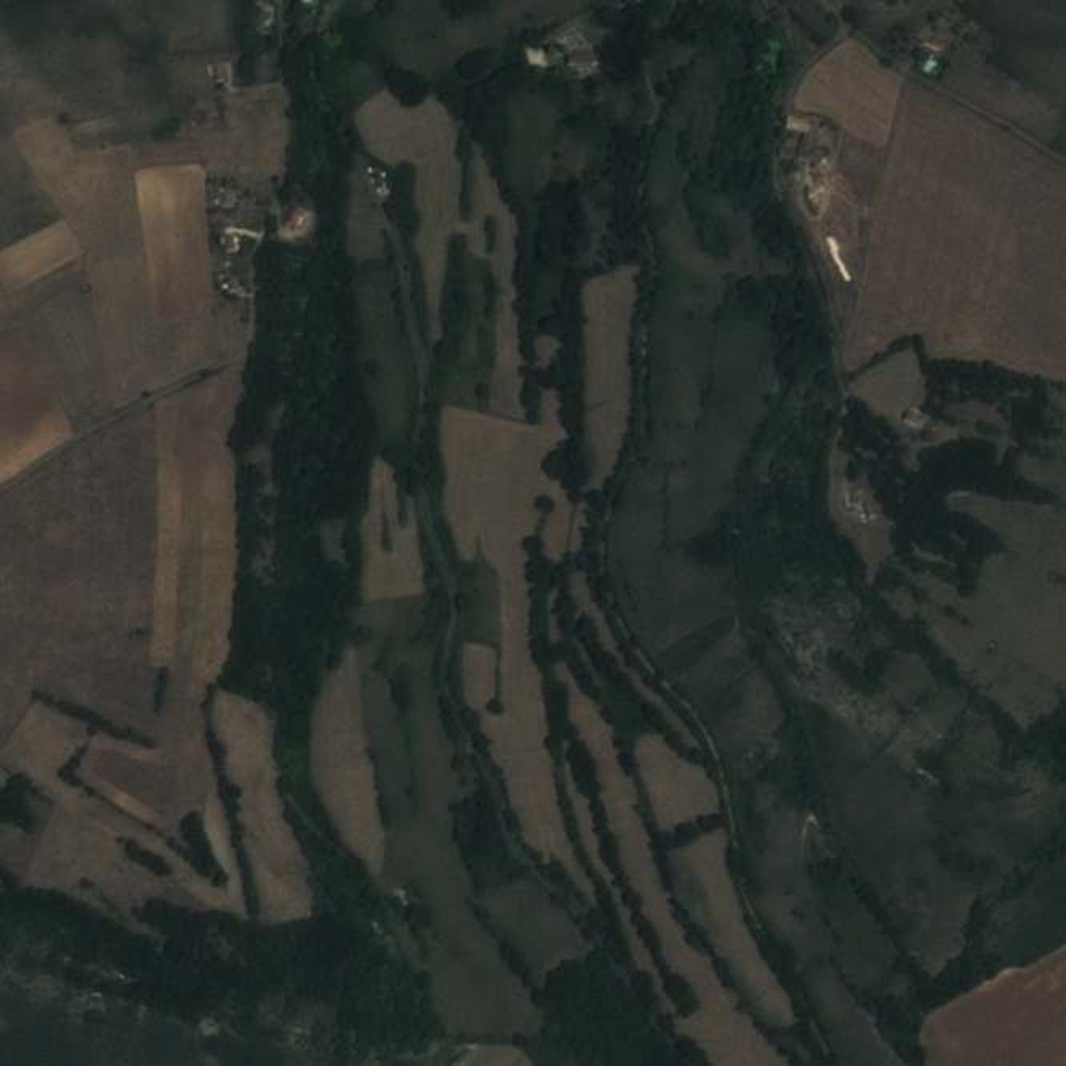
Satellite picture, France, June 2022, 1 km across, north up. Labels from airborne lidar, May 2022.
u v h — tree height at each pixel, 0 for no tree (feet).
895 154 0
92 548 0
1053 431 27
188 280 0
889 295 0
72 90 0
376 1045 28
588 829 0
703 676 0
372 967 29
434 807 0
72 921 25
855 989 25
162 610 0
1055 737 30
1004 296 0
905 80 0
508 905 0
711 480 0
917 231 0
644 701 21
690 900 0
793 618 0
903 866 0
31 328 0
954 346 0
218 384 0
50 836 0
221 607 0
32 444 0
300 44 29
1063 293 0
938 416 29
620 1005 40
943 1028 0
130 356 0
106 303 0
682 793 0
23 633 0
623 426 0
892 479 31
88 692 0
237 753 0
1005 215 0
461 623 26
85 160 0
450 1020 0
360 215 0
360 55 25
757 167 46
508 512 0
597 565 46
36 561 0
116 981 22
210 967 39
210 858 32
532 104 0
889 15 0
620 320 0
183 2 0
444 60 0
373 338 0
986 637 0
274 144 0
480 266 0
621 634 36
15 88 0
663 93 65
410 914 52
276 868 0
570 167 0
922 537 39
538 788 0
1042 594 0
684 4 26
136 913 33
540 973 0
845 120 0
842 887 0
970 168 0
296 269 23
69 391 0
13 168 0
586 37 0
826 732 0
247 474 36
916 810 0
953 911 0
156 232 0
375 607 0
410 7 0
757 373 0
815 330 42
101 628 0
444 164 0
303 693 50
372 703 0
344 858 19
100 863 0
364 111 0
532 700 0
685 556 0
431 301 0
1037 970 0
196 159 0
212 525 0
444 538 20
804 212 0
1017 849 0
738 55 0
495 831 28
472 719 34
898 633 33
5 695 0
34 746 0
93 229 0
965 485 37
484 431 0
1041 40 0
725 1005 0
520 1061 0
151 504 0
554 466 58
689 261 0
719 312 36
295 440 63
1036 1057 0
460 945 0
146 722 0
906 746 0
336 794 0
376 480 0
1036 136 0
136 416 0
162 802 0
